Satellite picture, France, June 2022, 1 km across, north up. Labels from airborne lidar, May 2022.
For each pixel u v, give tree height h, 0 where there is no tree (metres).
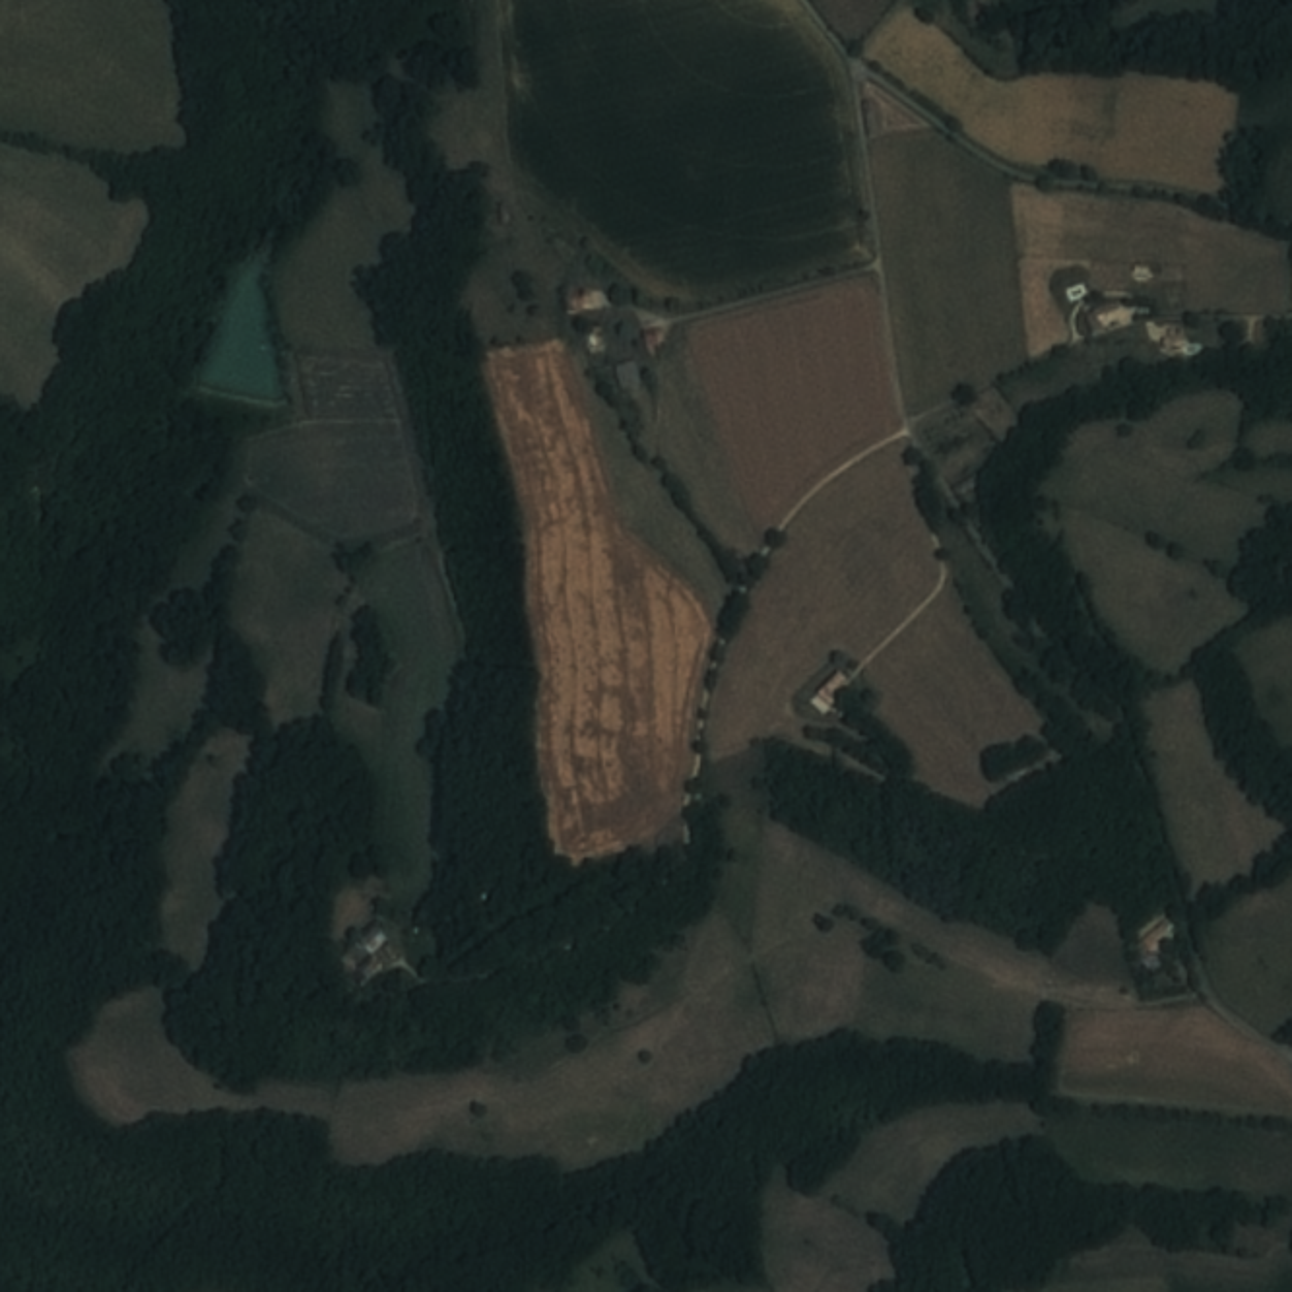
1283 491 0
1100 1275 0
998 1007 0
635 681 0
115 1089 0
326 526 0
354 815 18
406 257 23
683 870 11
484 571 7
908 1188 0
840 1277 0
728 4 0
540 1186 19
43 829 26
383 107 12
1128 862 21
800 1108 16
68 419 16
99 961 20
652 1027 0
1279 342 10
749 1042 0
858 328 0
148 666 0
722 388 0
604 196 0
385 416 0
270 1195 14
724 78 0
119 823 19
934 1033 0
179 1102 0
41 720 17
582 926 14
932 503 17
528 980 13
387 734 0
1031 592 17
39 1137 7
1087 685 18
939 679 0
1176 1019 0
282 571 0
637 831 0
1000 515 14
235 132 13
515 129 0
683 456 0
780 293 0
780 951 0
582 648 0
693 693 0
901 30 0
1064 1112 13
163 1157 17
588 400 0
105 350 16
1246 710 17
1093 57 22
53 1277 7
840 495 0
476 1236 15
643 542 0
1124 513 0
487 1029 9
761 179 0
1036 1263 17
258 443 0
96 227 0
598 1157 0
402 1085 0
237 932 25
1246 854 0
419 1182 13
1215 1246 11
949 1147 0
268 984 18
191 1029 19
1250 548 17
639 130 0
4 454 13
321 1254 15
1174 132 0
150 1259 16
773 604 0
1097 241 0
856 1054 24
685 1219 18
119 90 0
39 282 0
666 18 0
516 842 18
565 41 0
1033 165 0
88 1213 8
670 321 0
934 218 0
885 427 0
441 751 20
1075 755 21
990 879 7
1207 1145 0
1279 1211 17
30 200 0
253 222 24
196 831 0
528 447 0
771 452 0
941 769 0
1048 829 14
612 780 0
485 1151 0
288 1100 0
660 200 0
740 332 0
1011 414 0
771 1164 13
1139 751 14
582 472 0
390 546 0
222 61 22
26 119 0
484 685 24
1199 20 23
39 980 20
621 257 0
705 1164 17
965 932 0
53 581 20
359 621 15
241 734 17
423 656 0
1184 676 9
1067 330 0
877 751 20
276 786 21
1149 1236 16
